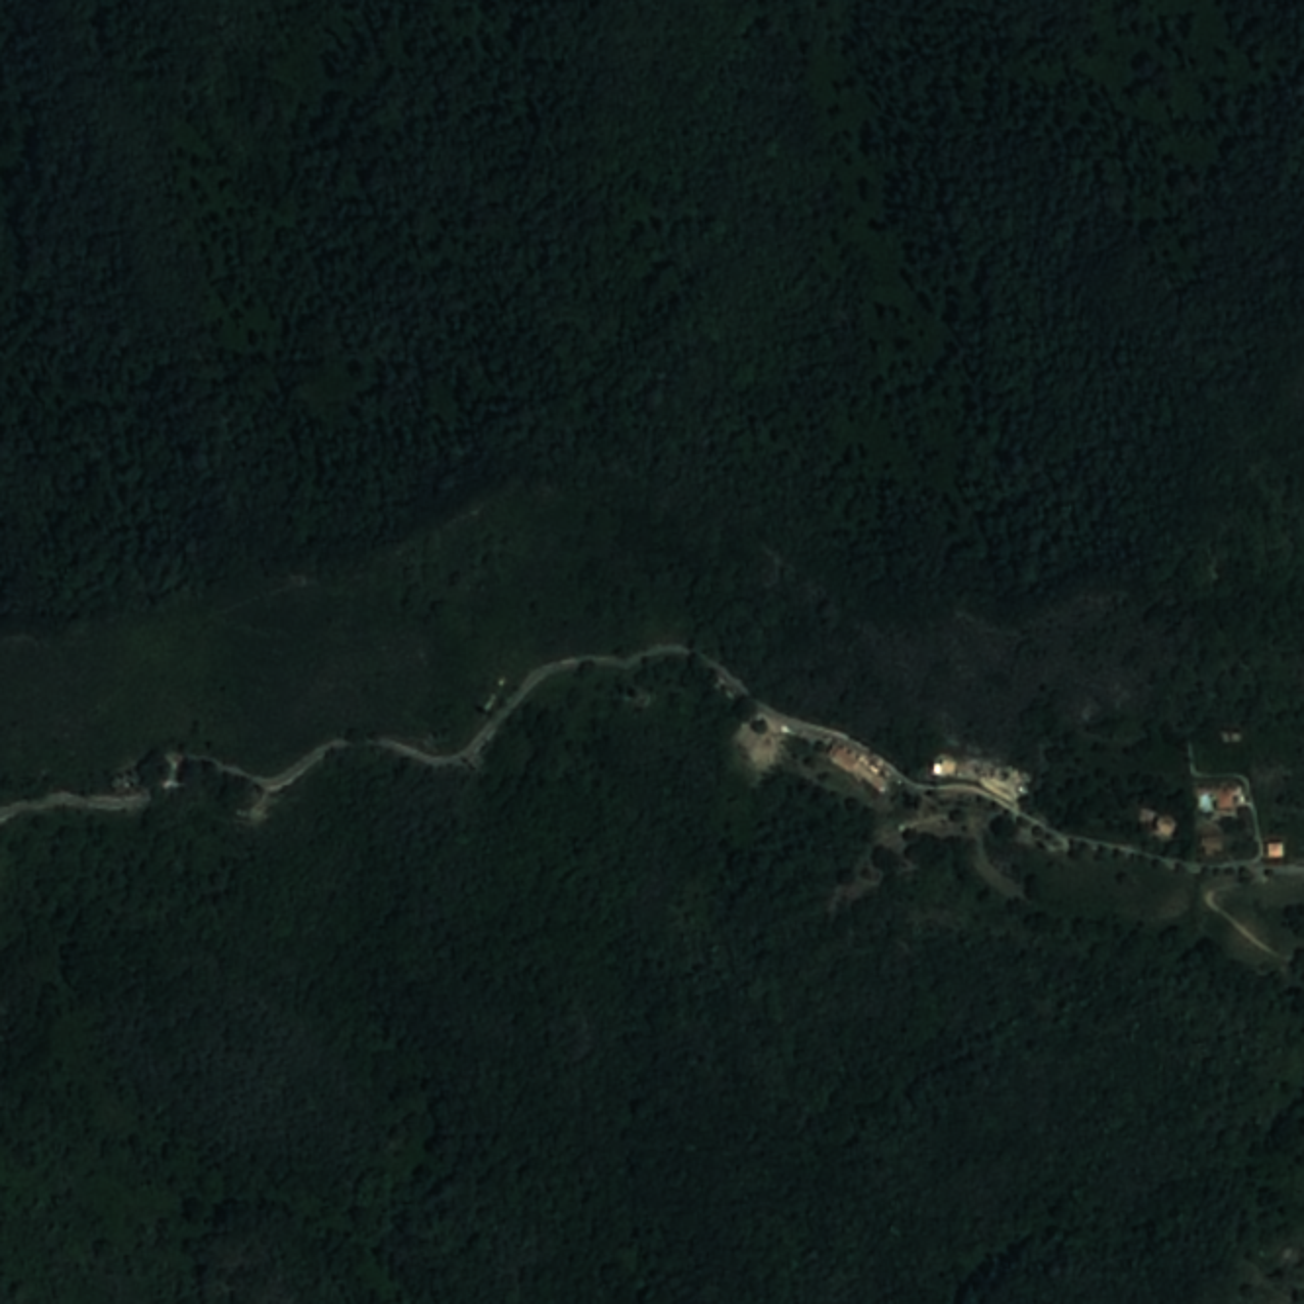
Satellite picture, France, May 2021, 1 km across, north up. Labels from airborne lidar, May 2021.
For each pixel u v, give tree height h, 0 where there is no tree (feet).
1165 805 39
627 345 46
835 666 20
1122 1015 29
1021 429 49
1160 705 46
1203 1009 43
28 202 56
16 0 64
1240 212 56
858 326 35
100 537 51
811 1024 18
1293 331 34
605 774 24
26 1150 44
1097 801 54
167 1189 23
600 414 52
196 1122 40
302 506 78
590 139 32
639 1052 71
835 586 27
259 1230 45
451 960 19
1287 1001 55
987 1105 23
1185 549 23
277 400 72
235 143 64
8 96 65
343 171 68
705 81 58
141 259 33
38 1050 54
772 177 33
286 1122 27
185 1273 29
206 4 35
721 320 29
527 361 64
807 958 22
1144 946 48
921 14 31
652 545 22
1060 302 52
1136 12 84
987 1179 25
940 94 68
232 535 43
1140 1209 51
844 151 75
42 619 57
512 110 77
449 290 62
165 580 47
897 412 40
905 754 32
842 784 0
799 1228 62
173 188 46
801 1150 51
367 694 23
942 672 22
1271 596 32
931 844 59
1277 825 18
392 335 68
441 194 38
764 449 63
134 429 34
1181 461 31
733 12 37
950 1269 21
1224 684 57
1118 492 41
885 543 47
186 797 56
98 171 35
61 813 32
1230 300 46
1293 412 25
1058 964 29
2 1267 53
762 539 24
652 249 56
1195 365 29
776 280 39
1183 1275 30
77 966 70
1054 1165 30
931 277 61
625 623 29
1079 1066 21
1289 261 40
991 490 62
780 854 27
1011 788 0
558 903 59
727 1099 38
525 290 58
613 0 45
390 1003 51
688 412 33
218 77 48
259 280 41
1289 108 48
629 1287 45
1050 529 57
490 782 44
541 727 45
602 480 34
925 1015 60
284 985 45
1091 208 52
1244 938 0
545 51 62
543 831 61
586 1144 27
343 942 48
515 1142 50
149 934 42
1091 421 31
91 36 70
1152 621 47
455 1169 30
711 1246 51
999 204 20
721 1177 25
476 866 31
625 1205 55
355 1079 39
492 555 43
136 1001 52
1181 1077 35
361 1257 54
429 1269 43
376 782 43
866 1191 34
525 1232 31
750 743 0
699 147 57
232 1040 49
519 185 32
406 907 31
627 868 40
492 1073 39
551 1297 24
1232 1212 30
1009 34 65
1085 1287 25
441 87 52
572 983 19
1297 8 49
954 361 30
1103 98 63
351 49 55
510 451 58
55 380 70
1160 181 71
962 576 65
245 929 20
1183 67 29
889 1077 35
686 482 22
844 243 48
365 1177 59
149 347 50
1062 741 24
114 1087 29
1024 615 31
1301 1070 0
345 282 56
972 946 30
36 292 45
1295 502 60
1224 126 52
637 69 27
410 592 39
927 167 46
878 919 47
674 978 64
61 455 63
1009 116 57
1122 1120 23
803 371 26
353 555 46
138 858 35
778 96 50
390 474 61
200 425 51
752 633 55
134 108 38
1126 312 31
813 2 47
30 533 42
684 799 45
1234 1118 27
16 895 33
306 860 18
